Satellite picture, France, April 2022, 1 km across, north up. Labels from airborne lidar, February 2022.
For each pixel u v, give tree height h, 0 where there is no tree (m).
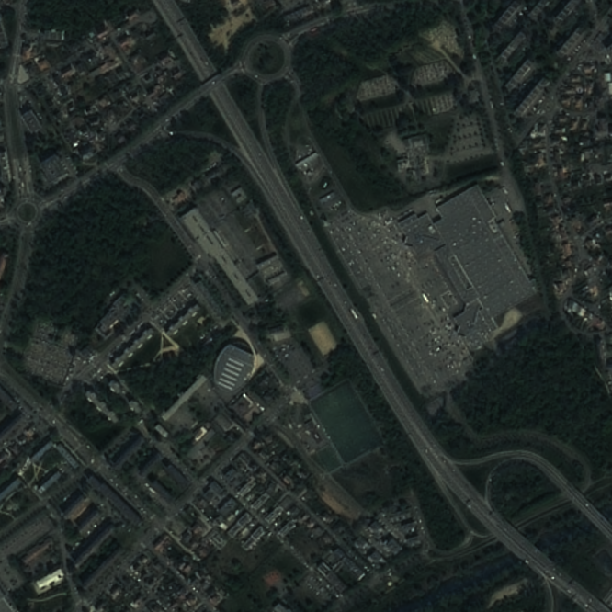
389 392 0
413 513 0
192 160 16
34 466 0
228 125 0
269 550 0
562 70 11
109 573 9
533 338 20
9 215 0
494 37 7
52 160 0
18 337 21
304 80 11
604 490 0
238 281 0
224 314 0
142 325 0
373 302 0
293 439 0
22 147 0
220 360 0
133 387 20
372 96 0
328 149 0
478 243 0
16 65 0
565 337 17
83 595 11
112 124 0
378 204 0
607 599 0
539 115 0
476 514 0
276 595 12
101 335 0
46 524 0
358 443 0
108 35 0
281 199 0
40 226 15
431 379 0
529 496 13
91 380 0
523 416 17
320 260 0
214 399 0
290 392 0
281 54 0
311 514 0
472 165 0
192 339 0
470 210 0
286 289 0
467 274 0
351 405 0
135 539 0
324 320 0
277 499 0
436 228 0
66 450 0
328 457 0
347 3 0
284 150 7
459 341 0
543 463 0
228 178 8
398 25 17
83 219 24
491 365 15
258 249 0
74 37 6
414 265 0
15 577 0
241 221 0
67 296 20
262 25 6
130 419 15
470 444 15
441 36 0
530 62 0
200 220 0
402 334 0
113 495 0
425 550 0
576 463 7
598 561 0
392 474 10
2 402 7
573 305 0
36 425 0
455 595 29
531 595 20
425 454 0
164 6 0
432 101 0
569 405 18
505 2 16
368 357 0
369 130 9
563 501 0
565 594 0
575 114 0
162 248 0
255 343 0
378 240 0
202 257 0
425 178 13
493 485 10
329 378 10
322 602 0
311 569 0
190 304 0
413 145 0
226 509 0
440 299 0
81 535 11
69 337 0
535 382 22
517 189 0
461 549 0
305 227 0
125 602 0
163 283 0
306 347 12
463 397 19
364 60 16
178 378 20
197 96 0
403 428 0
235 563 11
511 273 0
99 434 0
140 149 0
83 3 18
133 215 18
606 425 16
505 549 16
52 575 0
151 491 0
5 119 0
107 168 0
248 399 0
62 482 15
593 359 11
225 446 0
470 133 0
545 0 0
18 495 10
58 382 0
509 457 0
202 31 11
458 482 0
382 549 0
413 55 0
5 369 0
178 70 9
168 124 0
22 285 0
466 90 0
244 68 0
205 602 0
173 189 13
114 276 16
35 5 8
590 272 0
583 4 11
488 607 22
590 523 0
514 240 0
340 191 0
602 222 0
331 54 12
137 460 10
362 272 0
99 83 10
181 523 0
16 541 0
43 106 0
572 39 0
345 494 0
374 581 0
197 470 8
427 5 13
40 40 11
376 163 0
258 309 15
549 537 0
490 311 0
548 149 0
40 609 0
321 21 0
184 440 8
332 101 0
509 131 0
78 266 21
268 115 12
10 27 0
